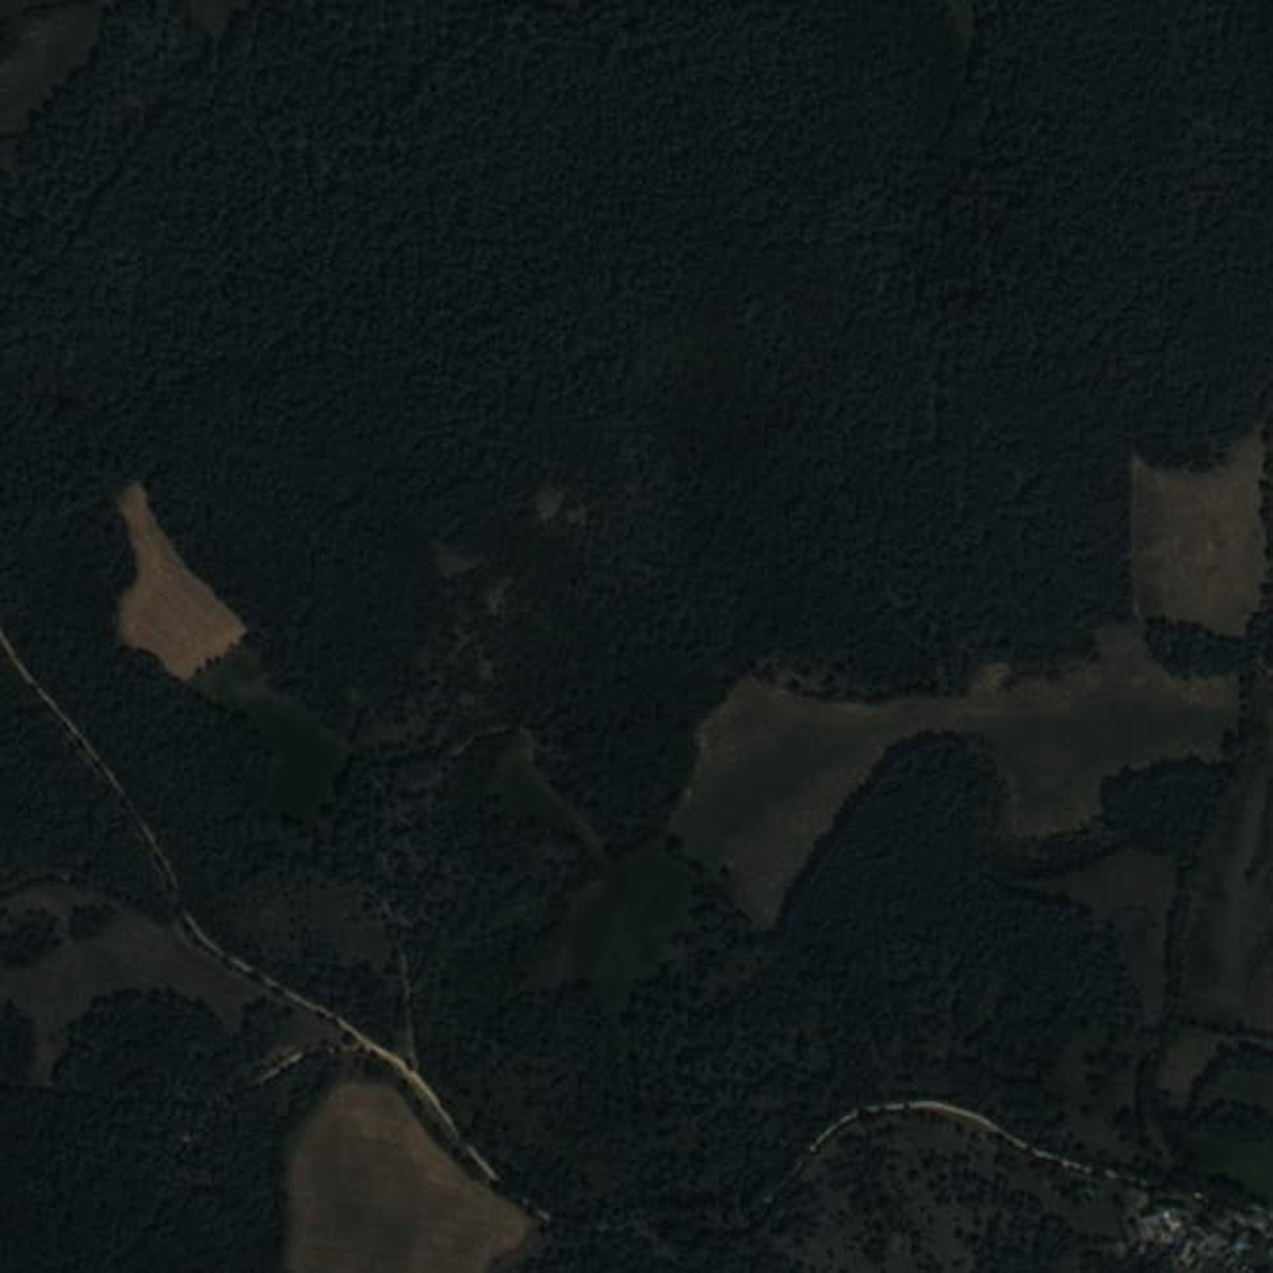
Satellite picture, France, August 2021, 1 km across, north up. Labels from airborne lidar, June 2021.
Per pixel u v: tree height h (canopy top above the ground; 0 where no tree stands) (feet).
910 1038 29
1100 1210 0
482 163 55
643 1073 35
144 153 58
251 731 49
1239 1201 35
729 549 35
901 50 42
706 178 42
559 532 23
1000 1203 27
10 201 46
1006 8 41
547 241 58
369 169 63
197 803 42
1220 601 0
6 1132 43
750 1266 26
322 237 72
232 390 52
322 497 42
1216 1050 0
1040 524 45
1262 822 0
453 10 32
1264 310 41
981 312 67
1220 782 47
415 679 23
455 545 41
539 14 57
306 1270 0
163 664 34
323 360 42
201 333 62
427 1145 0
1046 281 59
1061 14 58
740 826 0
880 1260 26
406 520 33
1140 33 55
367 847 30
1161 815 35
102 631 21
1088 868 25
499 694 22
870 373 39
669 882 0
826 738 0
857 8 47
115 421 71
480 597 26
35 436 63
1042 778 0
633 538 48
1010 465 47
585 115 58
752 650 39
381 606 23
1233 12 31
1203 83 40
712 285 32
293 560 31
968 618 48
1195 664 48
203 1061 42
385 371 49
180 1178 37
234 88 68
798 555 44
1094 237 69
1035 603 51
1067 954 54
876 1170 20
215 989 0
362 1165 0
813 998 26
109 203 56
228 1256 37
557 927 34
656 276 41
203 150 55
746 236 38
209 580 30
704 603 44
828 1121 25
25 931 30
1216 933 0
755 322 33
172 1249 51
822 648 26
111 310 45
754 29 46
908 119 33
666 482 30
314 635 29
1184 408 35
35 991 0
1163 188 44
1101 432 50
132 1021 50
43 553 32
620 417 43
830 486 48
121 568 31
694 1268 31
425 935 42
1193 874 33
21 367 46
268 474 40
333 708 48
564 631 41
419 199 60
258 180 67
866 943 34
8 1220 55
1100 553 45
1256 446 0
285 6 30
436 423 38
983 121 67
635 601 37
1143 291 26
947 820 35
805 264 44
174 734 42
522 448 32
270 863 35
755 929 28
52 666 41
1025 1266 49
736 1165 51
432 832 34
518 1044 18
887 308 42
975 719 0
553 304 52
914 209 61
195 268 45
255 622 36
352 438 44
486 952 39
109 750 42
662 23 56
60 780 30
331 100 73
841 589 56
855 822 42
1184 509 0
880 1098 30
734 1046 41
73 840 32
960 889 38
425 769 45
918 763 39
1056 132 52
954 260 64
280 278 65
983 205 91
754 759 0
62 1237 42
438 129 71
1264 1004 0
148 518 0
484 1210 0
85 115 25
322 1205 0
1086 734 0
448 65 62
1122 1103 0
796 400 31
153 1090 50
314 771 0
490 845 32
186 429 45
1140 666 0
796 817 0
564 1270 35
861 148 38
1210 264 27
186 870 33
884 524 58
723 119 51
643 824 20
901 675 35
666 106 42
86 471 47
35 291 50
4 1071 33
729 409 52
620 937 0
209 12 0
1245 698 26
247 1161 49
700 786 0
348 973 29
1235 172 28
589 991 42
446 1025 28
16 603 42
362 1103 0
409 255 53
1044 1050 26
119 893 28
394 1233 0
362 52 43
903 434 43
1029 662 40
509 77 62
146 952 0
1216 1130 31
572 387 47
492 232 55
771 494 38
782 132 45
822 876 43
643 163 53
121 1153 36
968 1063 40
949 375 54
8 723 30
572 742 41
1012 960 47
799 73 43
